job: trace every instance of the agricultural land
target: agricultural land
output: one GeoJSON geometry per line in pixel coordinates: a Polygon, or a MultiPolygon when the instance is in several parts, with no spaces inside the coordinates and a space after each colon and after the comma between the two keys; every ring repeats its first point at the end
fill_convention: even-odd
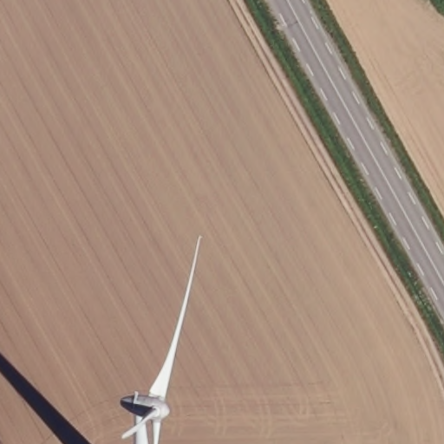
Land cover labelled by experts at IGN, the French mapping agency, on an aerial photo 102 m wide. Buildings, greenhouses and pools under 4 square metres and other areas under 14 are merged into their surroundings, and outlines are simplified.
{"type": "Polygon", "coordinates": [[[357,61],[368,76],[378,101],[382,102],[388,120],[392,121],[395,132],[401,137],[402,144],[408,151],[409,158],[415,163],[416,170],[444,217],[444,0],[326,0],[336,23],[340,24],[343,35],[347,36],[350,47],[356,52],[357,61]]]}
{"type": "Polygon", "coordinates": [[[423,352],[416,354],[415,342],[401,321],[404,312],[395,300],[394,291],[390,291],[390,286],[378,269],[375,258],[371,257],[369,250],[362,250],[356,234],[349,238],[343,231],[343,227],[347,227],[345,217],[331,196],[319,168],[310,158],[309,151],[302,144],[302,139],[298,137],[297,130],[284,113],[283,104],[279,102],[281,94],[272,90],[271,83],[265,78],[262,69],[258,68],[248,43],[234,23],[232,16],[236,12],[232,9],[231,0],[0,0],[0,444],[444,444],[444,401],[439,392],[439,385],[432,375],[432,369],[428,366],[427,357],[423,352]]]}

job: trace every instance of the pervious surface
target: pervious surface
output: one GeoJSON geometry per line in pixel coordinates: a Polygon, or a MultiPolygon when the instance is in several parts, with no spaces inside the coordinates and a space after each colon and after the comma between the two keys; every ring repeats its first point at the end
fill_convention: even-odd
{"type": "Polygon", "coordinates": [[[395,300],[404,312],[401,321],[415,342],[416,354],[423,352],[427,357],[428,366],[432,369],[432,375],[439,385],[439,392],[444,401],[444,362],[427,324],[416,309],[415,302],[409,297],[401,277],[397,276],[397,272],[390,264],[371,225],[362,215],[354,196],[350,194],[349,187],[345,186],[342,175],[298,101],[295,90],[265,42],[257,23],[253,21],[245,0],[231,0],[232,9],[236,12],[232,16],[234,23],[248,43],[258,68],[262,69],[265,78],[271,83],[272,90],[281,94],[279,102],[283,104],[284,113],[297,130],[298,137],[302,139],[302,144],[309,151],[310,158],[319,168],[331,196],[345,217],[347,227],[343,227],[343,231],[349,238],[356,234],[362,250],[369,250],[371,257],[375,258],[378,269],[390,286],[390,291],[394,291],[395,300]]]}

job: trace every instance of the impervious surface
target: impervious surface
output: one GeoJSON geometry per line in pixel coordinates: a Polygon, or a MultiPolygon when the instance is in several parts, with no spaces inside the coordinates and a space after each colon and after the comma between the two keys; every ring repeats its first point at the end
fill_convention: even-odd
{"type": "Polygon", "coordinates": [[[385,139],[382,128],[373,118],[366,101],[362,99],[342,55],[319,21],[316,10],[312,9],[310,0],[264,0],[272,17],[276,19],[277,31],[281,31],[290,43],[300,68],[304,69],[305,75],[323,102],[324,109],[330,114],[338,134],[361,172],[362,180],[366,182],[369,191],[382,208],[395,238],[406,251],[411,265],[415,267],[423,290],[434,304],[434,310],[444,326],[444,243],[435,231],[434,224],[428,219],[425,208],[402,170],[401,163],[385,139]]]}

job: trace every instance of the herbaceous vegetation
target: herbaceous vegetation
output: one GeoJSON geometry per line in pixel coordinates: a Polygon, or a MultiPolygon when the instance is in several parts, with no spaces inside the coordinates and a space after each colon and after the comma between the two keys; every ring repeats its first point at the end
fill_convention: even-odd
{"type": "Polygon", "coordinates": [[[264,0],[245,0],[253,21],[257,23],[265,42],[295,90],[298,101],[342,175],[345,186],[349,187],[350,194],[354,196],[362,215],[371,225],[390,264],[397,272],[397,276],[401,277],[409,297],[415,302],[416,309],[427,324],[444,362],[444,326],[434,310],[434,304],[423,290],[415,267],[411,265],[406,251],[395,238],[382,208],[369,191],[366,182],[362,180],[361,172],[338,134],[330,114],[324,109],[323,102],[305,75],[304,69],[300,68],[290,43],[281,31],[277,31],[276,19],[272,17],[264,0]]]}
{"type": "Polygon", "coordinates": [[[310,0],[312,9],[316,10],[319,21],[342,55],[362,99],[366,101],[373,118],[382,128],[385,139],[401,163],[402,170],[425,208],[428,219],[434,224],[435,231],[444,243],[444,217],[416,170],[415,163],[409,158],[408,151],[402,144],[401,137],[395,132],[392,121],[388,120],[382,102],[378,101],[368,76],[357,61],[356,52],[350,47],[347,36],[343,35],[340,24],[336,23],[326,0],[310,0]]]}

